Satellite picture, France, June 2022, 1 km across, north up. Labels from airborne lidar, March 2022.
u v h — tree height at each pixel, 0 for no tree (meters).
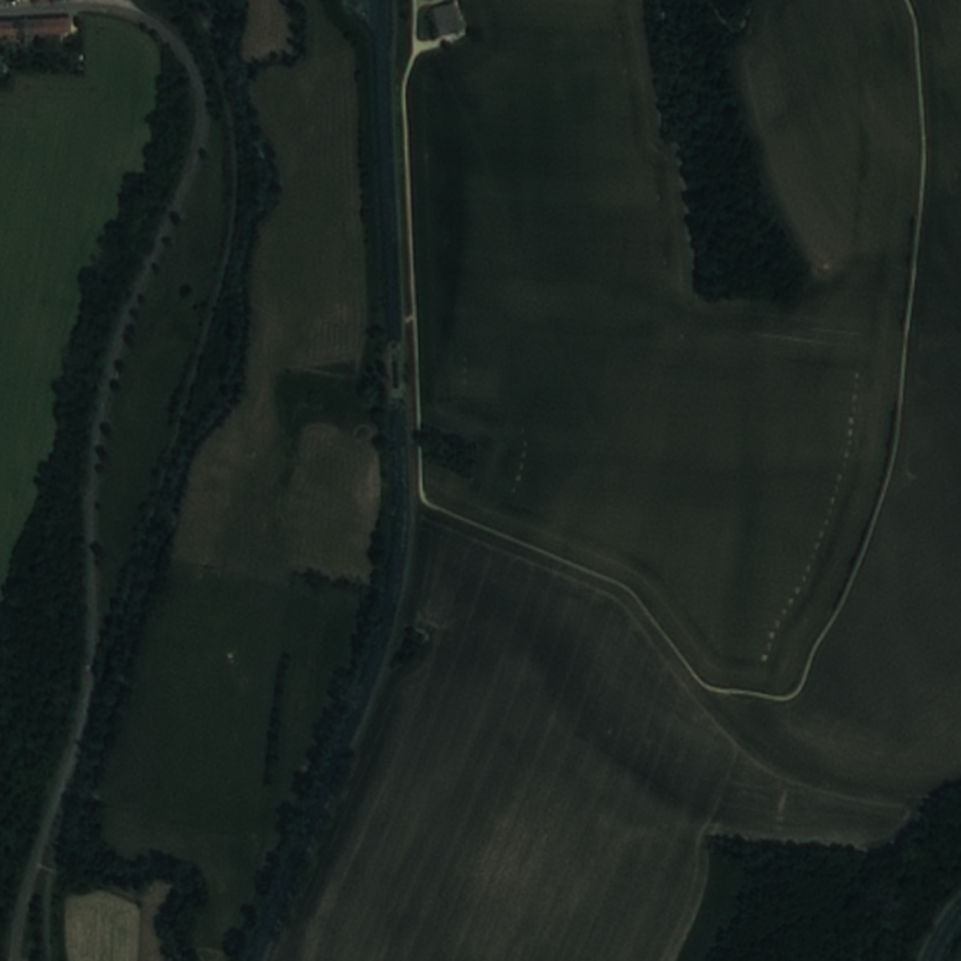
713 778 0
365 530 0
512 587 0
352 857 0
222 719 0
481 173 0
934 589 0
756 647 0
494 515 0
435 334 0
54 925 0
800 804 0
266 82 0
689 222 11
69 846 20
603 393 0
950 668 0
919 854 15
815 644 0
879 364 0
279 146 0
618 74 0
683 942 0
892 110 0
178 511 13
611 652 0
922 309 0
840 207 0
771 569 0
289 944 0
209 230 0
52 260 0
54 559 17
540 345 0
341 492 0
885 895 16
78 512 16
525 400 0
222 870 0
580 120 0
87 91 0
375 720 0
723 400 0
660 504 0
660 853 0
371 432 0
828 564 0
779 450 0
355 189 0
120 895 0
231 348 12
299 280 0
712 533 0
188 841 0
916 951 22
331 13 0
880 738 0
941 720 0
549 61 0
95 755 24
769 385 0
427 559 0
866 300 0
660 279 0
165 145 8
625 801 0
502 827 0
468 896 0
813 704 0
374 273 0
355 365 0
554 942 0
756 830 0
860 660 0
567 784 0
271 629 0
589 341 0
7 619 19
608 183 0
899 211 0
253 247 7
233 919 0
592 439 0
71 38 6
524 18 0
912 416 0
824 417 0
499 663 0
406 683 0
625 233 0
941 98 0
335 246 0
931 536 0
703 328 0
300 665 0
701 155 16
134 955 0
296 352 0
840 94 0
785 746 0
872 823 0
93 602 0
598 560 0
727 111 19
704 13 17
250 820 0
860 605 0
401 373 0
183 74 11
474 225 0
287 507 0
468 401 0
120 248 18
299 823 22
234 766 0
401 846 0
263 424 0
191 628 0
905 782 0
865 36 0
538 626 0
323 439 0
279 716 13
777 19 0
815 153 0
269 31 0
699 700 0
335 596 0
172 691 0
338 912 0
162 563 18
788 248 13
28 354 0
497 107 0
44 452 0
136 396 0
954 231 0
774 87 0
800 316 0
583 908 0
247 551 0
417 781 0
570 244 0
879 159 0
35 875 0
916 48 0
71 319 0
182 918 19
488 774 0
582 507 0
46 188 0
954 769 0
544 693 0
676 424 0
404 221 0
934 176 0
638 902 0
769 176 0
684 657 0
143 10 0
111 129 0
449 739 0
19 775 6
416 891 0
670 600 0
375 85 0
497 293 0
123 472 0
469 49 0
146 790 0
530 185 0
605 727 0
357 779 0
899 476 0
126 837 0
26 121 0
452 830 0
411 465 0
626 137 0
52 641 15
